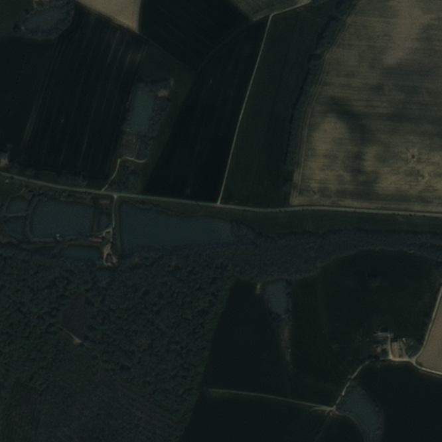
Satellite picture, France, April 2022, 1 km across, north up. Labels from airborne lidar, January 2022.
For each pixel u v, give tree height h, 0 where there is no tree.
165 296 28
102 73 0
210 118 0
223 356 0
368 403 0
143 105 0
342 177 0
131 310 25
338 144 0
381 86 0
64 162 0
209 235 0
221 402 0
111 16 0
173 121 0
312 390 0
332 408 0
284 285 0
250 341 0
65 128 0
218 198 0
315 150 0
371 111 0
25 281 25
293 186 16
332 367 0
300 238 24
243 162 0
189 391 24
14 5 0
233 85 0
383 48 0
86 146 0
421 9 0
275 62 0
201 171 0
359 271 0
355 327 0
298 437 0
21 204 0
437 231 0
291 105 0
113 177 0
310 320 0
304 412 0
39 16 0
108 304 20
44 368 18
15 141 0
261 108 0
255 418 0
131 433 19
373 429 0
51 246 0
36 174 0
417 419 0
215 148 0
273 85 0
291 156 18
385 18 0
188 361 23
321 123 0
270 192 0
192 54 0
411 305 0
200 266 23
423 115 0
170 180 0
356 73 0
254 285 0
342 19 17
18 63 0
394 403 0
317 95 0
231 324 0
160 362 25
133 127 0
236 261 22
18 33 19
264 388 0
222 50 0
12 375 22
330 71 0
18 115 0
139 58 0
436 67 0
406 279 0
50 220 0
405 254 0
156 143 0
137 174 20
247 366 0
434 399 0
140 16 0
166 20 0
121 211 0
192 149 0
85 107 0
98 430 16
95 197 0
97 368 12
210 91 0
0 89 0
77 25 0
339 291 0
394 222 0
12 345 27
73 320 0
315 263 27
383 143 0
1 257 19
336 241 23
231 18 0
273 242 22
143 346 21
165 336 26
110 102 0
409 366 0
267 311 0
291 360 0
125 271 28
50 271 27
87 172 0
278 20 0
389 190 0
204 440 0
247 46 0
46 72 0
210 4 0
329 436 0
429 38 0
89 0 0
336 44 0
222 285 26
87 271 24
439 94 0
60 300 23
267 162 0
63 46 0
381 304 0
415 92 0
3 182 0
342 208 0
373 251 0
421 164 0
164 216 0
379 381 0
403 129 0
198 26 0
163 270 25
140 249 18
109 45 0
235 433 0
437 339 0
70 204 0
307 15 0
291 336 0
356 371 0
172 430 19
